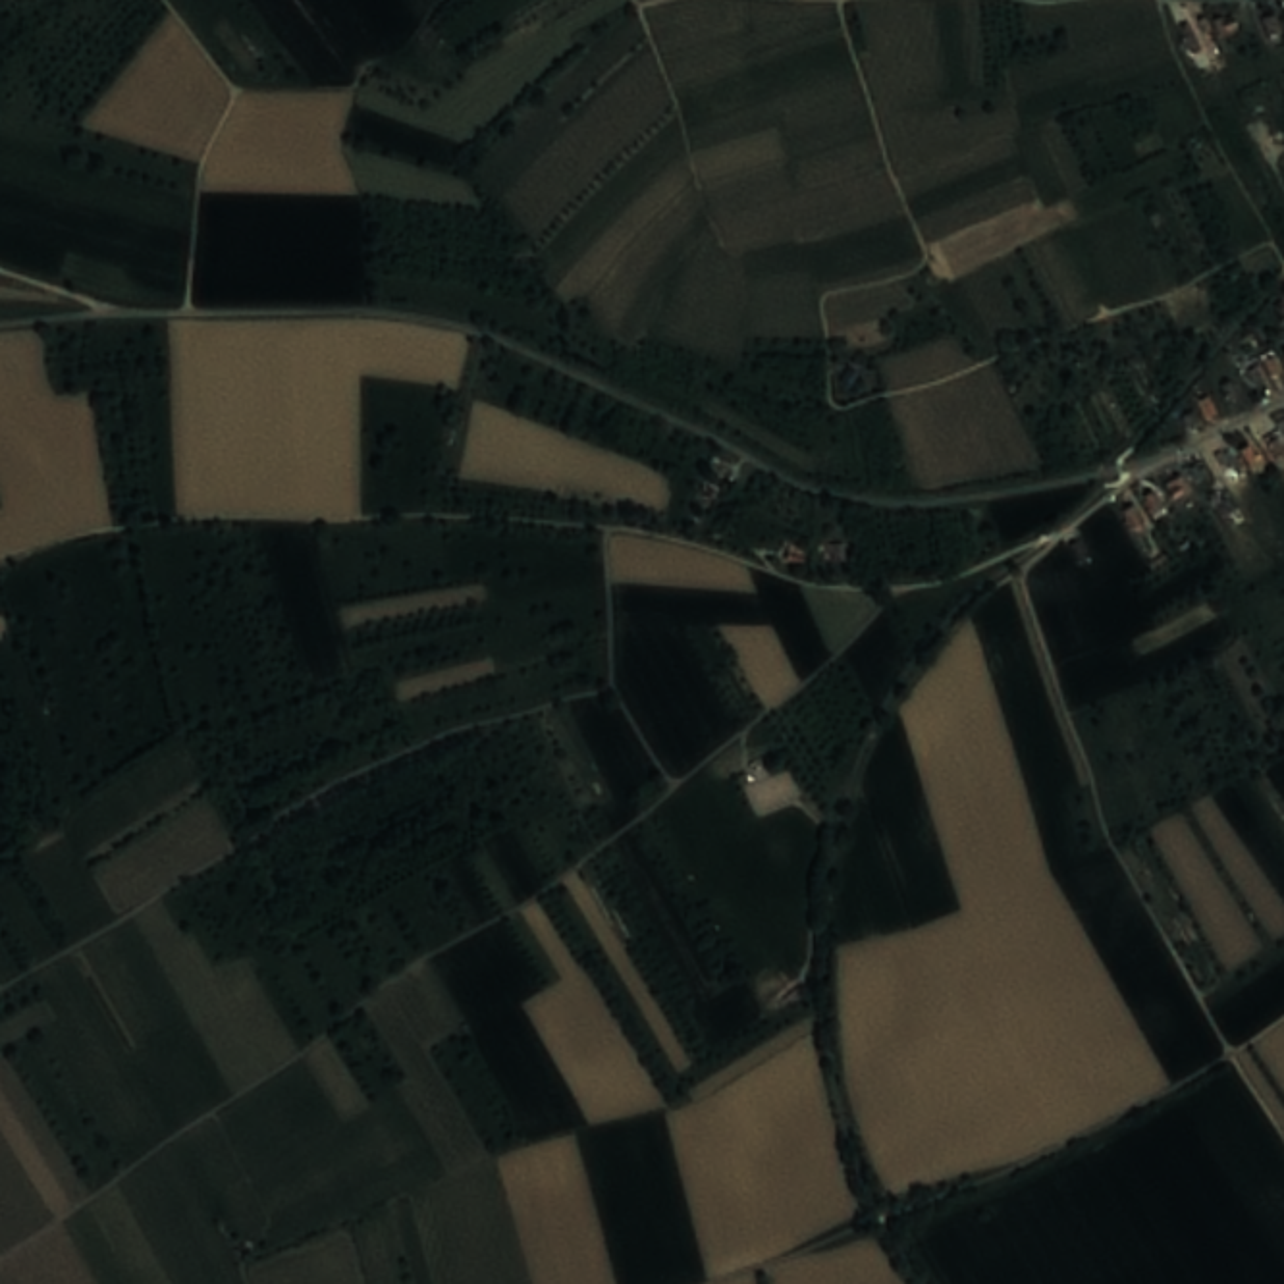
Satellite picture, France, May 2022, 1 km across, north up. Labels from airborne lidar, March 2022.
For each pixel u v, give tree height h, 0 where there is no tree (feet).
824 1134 0
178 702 0
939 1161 0
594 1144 0
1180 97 0
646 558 0
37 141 0
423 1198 0
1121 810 0
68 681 0
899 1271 37
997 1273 0
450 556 0
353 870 44
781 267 0
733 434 21
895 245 0
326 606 0
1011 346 38
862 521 21
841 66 0
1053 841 0
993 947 0
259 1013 0
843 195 0
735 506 24
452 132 0
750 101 0
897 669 0
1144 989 0
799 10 0
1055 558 0
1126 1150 0
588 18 0
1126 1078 0
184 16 0
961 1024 0
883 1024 0
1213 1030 0
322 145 0
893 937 0
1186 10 0
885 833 0
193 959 0
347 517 0
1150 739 0
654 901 0
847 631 0
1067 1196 0
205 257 0
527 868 0
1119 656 0
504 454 0
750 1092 0
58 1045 0
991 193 0
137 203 0
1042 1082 0
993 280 0
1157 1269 0
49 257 0
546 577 0
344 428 0
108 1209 0
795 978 0
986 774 0
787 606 0
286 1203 0
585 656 0
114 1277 0
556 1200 0
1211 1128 0
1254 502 0
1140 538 0
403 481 0
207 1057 0
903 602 0
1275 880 0
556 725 0
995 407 0
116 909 0
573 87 0
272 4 0
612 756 0
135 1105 0
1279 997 0
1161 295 0
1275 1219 0
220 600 0
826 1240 0
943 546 19
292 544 0
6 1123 0
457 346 0
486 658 0
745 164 0
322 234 0
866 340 0
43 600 0
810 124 0
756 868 0
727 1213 0
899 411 0
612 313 0
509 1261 0
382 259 27
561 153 0
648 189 0
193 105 0
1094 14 0
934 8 0
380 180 0
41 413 0
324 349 0
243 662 0
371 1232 0
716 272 0
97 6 0
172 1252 0
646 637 0
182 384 0
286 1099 0
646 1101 0
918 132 0
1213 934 0
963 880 0
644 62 0
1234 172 0
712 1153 0
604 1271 0
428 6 0
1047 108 0
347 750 30
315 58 0
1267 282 36
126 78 0
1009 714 0
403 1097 0
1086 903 0
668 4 0
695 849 0
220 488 0
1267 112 0
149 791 0
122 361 25
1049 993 0
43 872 0
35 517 0
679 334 0
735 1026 0
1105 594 0
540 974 22
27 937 0
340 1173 0
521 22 0
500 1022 0
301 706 25
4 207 0
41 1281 0
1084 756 0
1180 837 0
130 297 0
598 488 0
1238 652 0
